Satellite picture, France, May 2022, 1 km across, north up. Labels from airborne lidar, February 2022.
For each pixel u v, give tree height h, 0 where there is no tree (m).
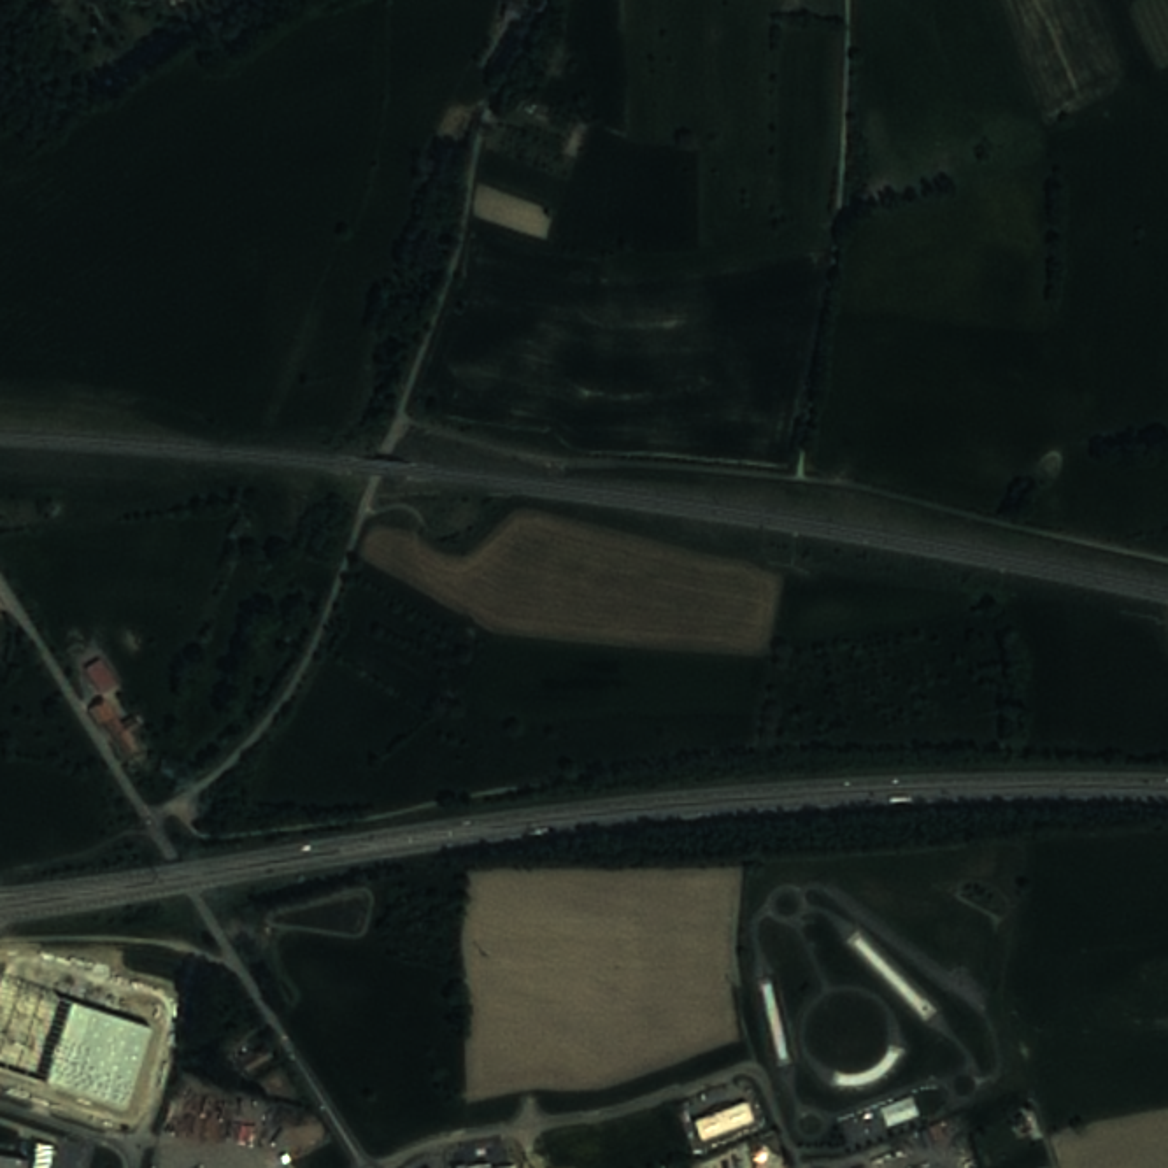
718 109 0
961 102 0
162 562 0
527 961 0
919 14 0
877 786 0
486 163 0
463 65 0
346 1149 0
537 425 0
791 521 0
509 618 0
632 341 0
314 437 0
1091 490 0
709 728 0
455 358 0
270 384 0
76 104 14
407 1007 0
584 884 0
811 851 13
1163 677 0
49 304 0
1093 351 0
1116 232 0
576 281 0
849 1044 0
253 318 0
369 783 0
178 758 0
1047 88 0
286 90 0
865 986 0
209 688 0
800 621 0
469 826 0
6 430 0
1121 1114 0
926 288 0
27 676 0
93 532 0
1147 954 0
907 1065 0
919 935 0
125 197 0
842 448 0
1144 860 0
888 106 0
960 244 0
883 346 0
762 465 0
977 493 0
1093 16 0
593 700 0
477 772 0
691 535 0
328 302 0
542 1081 0
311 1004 0
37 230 0
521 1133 0
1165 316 0
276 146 0
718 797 0
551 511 0
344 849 0
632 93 0
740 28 0
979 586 0
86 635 0
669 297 0
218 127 0
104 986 0
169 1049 0
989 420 0
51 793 0
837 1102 0
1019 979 0
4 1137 0
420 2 0
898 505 0
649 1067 0
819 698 0
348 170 0
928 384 0
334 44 0
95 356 0
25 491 0
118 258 0
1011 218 0
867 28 0
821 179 0
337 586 0
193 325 0
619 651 0
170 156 0
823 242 0
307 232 0
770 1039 0
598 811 0
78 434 0
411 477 0
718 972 0
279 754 0
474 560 0
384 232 0
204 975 32
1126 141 0
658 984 0
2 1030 0
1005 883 0
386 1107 0
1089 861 0
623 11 0
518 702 0
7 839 0
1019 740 13
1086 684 0
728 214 0
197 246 0
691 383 0
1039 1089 0
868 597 0
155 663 0
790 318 0
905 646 6
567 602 0
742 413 0
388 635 10
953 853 0
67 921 0
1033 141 0
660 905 0
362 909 0
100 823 0
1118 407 0
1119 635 0
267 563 7
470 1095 0
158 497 0
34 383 0
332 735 0
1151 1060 0
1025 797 0
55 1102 0
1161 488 0
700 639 0
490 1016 0
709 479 0
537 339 0
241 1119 0
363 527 0
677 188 0
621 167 0
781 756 12
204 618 0
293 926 0
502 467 0
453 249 10
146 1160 0
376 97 0
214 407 0
